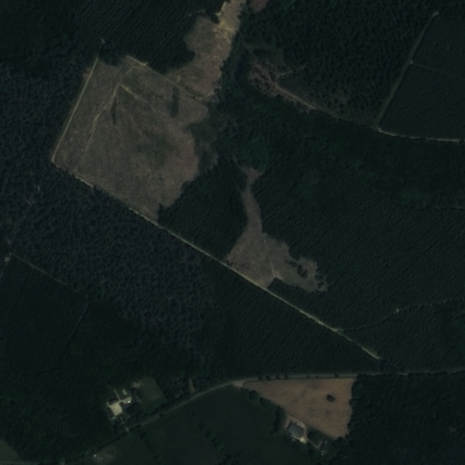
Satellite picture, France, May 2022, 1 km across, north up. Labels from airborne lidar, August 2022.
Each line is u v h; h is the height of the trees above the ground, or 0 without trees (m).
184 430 0
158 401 0
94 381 25
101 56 15
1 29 21
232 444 0
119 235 33
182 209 13
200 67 0
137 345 23
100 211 32
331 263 14
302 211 15
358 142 20
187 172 0
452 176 18
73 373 24
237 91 21
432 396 14
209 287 13
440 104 12
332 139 21
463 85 12
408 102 13
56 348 12
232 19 0
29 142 11
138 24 9
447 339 14
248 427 0
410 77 13
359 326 13
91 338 20
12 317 11
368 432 19
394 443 18
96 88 0
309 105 0
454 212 16
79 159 0
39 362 10
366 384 20
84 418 24
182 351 17
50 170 30
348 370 13
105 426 22
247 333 13
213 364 16
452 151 16
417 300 12
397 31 18
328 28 19
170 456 0
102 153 0
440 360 9
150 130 0
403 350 12
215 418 0
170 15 9
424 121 11
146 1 10
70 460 14
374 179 23
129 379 22
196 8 11
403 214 16
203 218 13
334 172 14
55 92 26
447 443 17
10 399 22
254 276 0
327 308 12
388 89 17
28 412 21
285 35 22
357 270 14
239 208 19
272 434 10
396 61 19
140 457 0
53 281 10
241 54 0
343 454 17
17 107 37
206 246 13
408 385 14
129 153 0
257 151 22
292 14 21
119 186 0
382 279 15
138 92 0
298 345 12
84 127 0
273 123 23
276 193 10
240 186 12
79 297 12
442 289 13
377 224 14
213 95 0
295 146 15
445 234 11
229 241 12
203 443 0
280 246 0
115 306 9
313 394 0
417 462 17
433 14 18
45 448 21
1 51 23
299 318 11
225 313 12
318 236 15
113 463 0
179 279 32
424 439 18
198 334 15
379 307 10
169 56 7
